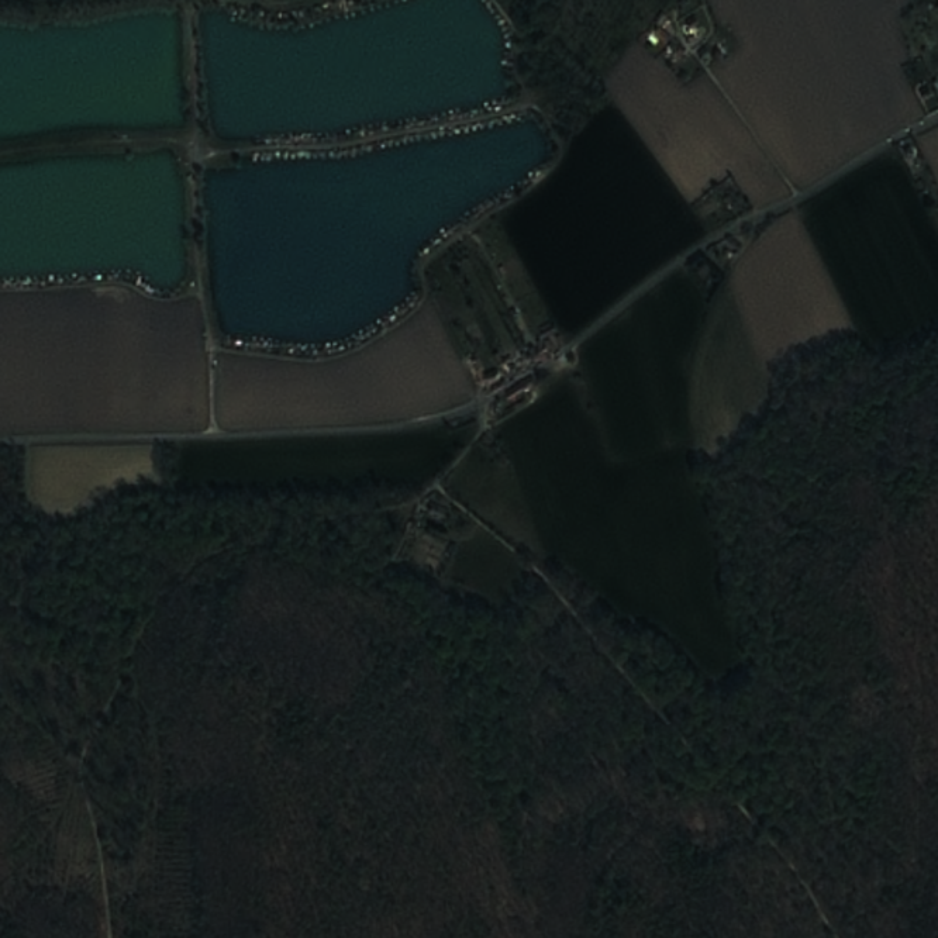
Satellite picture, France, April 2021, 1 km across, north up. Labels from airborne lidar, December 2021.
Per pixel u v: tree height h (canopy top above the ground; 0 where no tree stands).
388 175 0
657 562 0
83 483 0
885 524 10
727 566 21
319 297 0
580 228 0
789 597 12
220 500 20
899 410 20
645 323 0
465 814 15
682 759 32
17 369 0
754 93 0
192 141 0
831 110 0
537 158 0
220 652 14
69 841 0
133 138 0
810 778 17
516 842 11
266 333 0
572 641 28
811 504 11
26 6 23
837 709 14
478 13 0
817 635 10
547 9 21
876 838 20
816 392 26
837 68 0
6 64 0
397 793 17
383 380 0
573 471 0
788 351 0
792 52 0
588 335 0
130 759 28
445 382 0
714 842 10
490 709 26
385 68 0
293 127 0
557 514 0
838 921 27
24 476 14
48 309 0
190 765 20
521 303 0
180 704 11
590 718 30
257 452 0
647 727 25
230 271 0
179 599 15
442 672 16
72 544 11
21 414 0
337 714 12
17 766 13
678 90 0
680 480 0
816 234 0
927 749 14
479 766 21
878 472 9
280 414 0
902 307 0
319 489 13
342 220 0
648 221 0
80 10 29
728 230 0
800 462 29
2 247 0
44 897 11
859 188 0
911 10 8
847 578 10
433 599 25
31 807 7
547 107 0
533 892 17
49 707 26
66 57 0
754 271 0
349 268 0
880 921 21
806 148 0
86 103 0
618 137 0
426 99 0
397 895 12
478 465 0
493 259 0
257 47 0
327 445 0
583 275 0
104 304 0
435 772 17
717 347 0
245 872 11
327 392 0
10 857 10
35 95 0
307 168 0
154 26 0
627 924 14
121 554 21
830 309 0
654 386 0
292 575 22
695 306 0
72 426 0
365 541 20
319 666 16
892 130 0
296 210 0
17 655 27
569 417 0
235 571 7
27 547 26
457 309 0
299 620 18
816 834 20
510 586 0
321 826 14
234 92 0
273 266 0
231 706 11
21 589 26
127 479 0
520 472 0
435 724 15
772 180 0
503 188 0
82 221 0
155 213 0
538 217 0
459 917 18
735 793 25
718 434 0
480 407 0
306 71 0
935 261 0
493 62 0
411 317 0
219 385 0
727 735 30
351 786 13
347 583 22
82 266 0
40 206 0
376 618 21
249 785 13
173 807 10
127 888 0
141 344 0
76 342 0
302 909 13
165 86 0
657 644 24
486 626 19
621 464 0
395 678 8
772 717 25
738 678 12
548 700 33
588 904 7
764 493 29
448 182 0
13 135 0
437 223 0
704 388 0
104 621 25
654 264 0
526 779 28
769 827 29
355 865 7
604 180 0
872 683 11
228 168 0
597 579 0
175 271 0
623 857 7
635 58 0
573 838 12
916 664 15
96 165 0
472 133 0
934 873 20
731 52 0
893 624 15
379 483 22
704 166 0
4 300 0
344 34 0
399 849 13
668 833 14
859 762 17
